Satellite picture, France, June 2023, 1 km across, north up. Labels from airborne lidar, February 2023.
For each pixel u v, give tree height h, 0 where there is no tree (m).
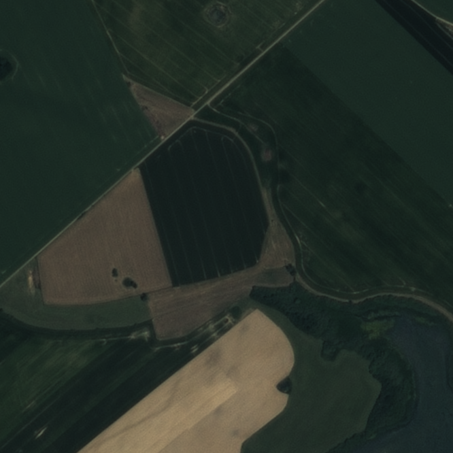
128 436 0
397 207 0
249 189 0
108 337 0
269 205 0
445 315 0
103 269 0
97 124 0
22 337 0
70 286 0
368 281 0
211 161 0
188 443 0
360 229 0
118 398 0
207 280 0
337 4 0
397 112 0
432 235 0
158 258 0
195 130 0
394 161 0
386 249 0
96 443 0
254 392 0
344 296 0
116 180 0
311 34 0
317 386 0
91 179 0
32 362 0
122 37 0
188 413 0
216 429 0
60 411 0
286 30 0
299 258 0
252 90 0
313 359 0
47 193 0
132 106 0
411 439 0
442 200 0
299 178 0
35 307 0
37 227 0
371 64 0
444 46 0
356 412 0
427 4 0
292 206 0
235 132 0
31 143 0
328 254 0
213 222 0
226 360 0
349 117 0
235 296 0
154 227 0
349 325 0
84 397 0
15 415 0
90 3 0
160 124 0
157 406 0
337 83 0
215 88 0
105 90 0
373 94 0
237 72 0
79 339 0
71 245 0
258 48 0
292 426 0
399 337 0
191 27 0
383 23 0
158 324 0
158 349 0
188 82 0
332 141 0
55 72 0
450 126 0
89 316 0
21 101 0
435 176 0
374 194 0
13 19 0
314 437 0
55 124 0
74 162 0
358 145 0
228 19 0
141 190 0
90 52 0
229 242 0
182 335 0
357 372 0
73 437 0
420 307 5
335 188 0
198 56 0
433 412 0
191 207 0
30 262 0
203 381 0
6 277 0
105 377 0
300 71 0
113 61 0
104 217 0
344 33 0
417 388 0
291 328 0
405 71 0
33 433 0
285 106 0
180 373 0
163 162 0
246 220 0
